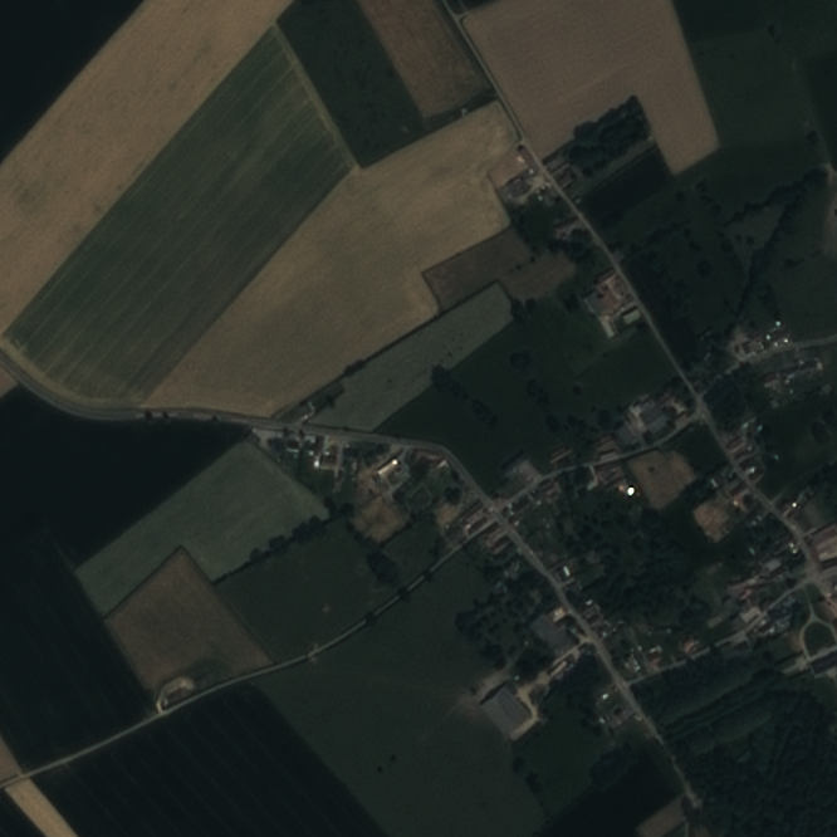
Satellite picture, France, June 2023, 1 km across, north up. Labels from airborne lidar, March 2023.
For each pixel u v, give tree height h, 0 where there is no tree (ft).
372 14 0
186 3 0
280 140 0
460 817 0
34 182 0
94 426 0
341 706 0
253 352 0
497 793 0
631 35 0
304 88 0
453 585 0
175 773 0
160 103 0
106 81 0
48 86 0
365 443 0
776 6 0
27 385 0
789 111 0
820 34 0
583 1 0
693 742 78
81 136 0
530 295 0
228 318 0
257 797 0
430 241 0
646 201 0
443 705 0
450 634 0
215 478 0
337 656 0
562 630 0
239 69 0
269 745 0
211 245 0
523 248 0
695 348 0
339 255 0
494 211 0
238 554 0
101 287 0
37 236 0
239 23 0
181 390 0
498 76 0
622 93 0
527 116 0
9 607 0
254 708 0
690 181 0
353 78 0
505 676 0
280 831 0
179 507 0
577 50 0
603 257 0
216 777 0
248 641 0
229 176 0
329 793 0
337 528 0
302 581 0
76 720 0
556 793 0
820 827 94
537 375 0
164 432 0
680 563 68
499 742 0
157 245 0
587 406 0
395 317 0
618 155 45
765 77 0
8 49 0
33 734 0
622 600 29
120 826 0
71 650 0
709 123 0
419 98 0
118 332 0
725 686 64
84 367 0
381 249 0
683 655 0
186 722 0
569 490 39
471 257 0
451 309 0
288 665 0
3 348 0
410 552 0
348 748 0
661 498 0
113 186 0
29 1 0
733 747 0
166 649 0
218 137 0
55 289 0
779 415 0
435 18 0
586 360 0
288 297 0
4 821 0
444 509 0
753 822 97
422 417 0
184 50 0
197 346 0
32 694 0
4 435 0
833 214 0
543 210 0
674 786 0
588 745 0
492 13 0
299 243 0
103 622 0
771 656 40
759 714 94
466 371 0
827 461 0
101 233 0
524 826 0
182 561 0
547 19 0
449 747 0
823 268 0
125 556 0
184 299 0
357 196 0
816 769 97
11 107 0
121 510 0
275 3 0
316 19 0
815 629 0
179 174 0
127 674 0
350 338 0
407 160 0
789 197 43
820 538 0
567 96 0
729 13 0
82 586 0
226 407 0
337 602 0
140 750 0
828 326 0
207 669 0
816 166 0
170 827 0
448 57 0
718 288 0
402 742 0
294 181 0
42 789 0
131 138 0
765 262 77
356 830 0
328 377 0
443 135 0
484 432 0
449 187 0
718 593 0
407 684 0
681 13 0
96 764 0
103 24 0
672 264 0
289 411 0
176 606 0
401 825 0
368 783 0
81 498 0
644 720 0
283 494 0
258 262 0
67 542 0
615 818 0
